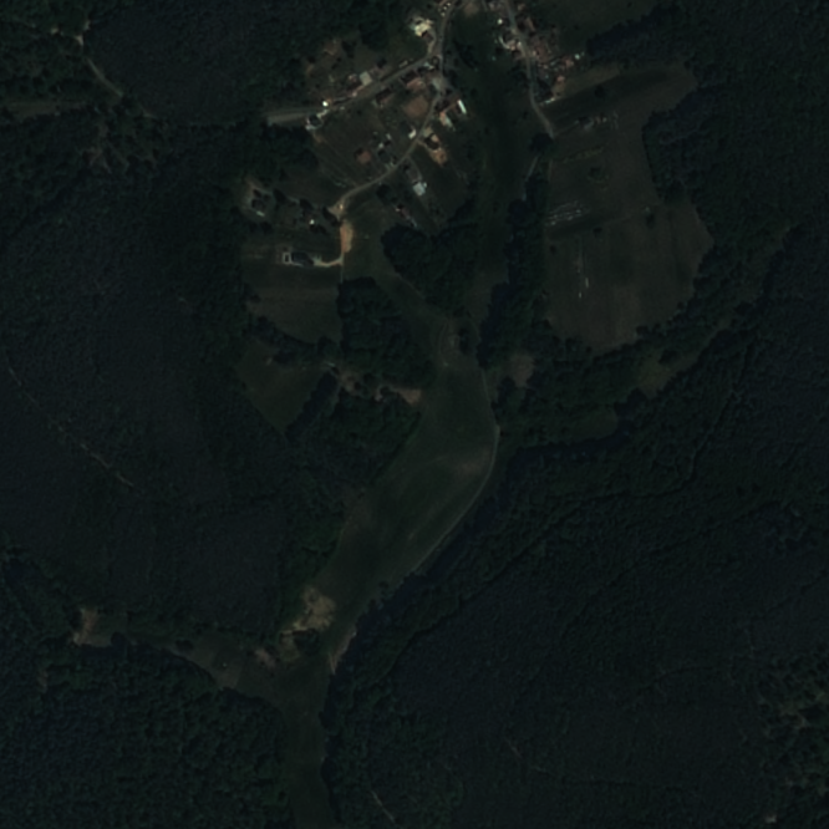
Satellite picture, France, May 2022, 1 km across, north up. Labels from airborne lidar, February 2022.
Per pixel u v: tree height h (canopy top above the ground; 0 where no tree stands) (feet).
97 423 70
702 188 76
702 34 68
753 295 0
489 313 0
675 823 71
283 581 87
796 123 59
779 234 0
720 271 86
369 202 0
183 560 68
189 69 58
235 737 98
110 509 50
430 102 0
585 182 0
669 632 57
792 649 45
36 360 70
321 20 57
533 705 66
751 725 55
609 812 69
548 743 49
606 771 53
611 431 0
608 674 57
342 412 66
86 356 77
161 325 56
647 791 59
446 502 0
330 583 0
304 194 0
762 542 47
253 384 0
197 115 62
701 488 56
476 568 74
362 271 0
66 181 44
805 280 62
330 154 0
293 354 69
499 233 0
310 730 0
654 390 0
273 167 59
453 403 0
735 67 58
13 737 95
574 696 61
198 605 73
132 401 61
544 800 66
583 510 73
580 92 0
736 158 77
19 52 64
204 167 72
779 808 63
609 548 66
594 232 24
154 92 65
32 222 97
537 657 68
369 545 0
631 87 0
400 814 75
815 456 61
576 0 0
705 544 51
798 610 44
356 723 83
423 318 0
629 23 0
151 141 78
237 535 66
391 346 61
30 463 59
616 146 0
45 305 85
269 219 0
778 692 74
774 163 65
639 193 0
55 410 69
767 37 65
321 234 62
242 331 91
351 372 0
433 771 83
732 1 59
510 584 79
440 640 71
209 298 83
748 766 56
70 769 90
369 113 0
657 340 44
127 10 67
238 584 70
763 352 55
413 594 70
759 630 48
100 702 91
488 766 51
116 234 81
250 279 0
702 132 50
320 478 100
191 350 64
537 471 89
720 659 38
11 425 65
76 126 51
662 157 53
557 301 0
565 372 65
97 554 43
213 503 64
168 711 92
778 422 59
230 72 68
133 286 68
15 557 62
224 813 94
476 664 67
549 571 61
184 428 77
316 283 0
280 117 0
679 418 35
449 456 0
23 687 96
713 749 49
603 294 0
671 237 0
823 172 69
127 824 84
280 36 77
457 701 68
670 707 54
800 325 71
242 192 0
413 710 66
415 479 0
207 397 54
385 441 83
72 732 84
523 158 0
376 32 92
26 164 36
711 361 29
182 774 79
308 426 58
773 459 42
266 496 58
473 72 0
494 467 0
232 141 75
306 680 0
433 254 87
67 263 72
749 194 76
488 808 63
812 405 60
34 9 63
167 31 58
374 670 89
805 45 68
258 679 0
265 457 65
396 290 0
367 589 0
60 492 62
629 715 47
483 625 74
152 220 54
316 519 96
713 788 59
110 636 0
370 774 64
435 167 0
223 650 0
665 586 59
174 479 68
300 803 0
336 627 0
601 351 0
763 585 55
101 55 59
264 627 68
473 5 0
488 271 0
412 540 0
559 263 0
